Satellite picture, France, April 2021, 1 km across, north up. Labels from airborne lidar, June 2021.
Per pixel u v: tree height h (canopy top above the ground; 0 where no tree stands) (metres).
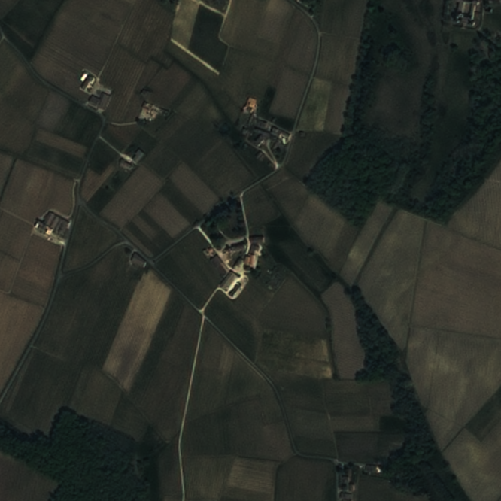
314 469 0
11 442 21
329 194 21
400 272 0
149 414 0
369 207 21
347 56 0
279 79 0
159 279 0
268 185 0
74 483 17
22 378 0
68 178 0
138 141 0
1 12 0
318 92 0
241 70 0
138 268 0
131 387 0
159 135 0
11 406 0
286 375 0
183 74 0
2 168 0
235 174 0
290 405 0
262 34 0
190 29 0
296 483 0
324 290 0
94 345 0
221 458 0
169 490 0
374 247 0
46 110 0
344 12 0
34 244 0
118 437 16
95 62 0
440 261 0
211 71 0
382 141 11
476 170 16
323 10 0
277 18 0
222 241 17
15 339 0
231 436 0
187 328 0
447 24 11
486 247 0
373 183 22
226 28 0
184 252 0
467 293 0
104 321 0
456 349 0
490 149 21
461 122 0
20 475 0
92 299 0
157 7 0
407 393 23
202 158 0
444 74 0
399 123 0
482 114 21
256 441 0
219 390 0
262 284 0
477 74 12
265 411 0
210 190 0
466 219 0
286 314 0
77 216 0
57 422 14
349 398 0
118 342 0
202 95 0
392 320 0
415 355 0
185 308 0
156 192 0
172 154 0
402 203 10
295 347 0
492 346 0
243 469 0
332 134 0
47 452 24
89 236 0
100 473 22
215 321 0
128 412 0
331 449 0
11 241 0
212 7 0
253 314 0
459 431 0
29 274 0
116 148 0
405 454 19
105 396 0
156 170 0
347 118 16
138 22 0
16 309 0
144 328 0
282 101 0
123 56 0
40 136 0
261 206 0
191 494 0
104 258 0
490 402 0
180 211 0
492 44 21
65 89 0
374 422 0
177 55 0
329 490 0
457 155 8
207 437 0
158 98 0
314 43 0
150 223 0
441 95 0
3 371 0
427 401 0
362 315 13
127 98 0
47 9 0
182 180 0
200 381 0
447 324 0
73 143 0
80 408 0
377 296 0
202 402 0
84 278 0
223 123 9
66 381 0
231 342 0
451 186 16
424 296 0
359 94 13
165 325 0
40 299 0
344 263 0
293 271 0
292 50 0
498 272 0
